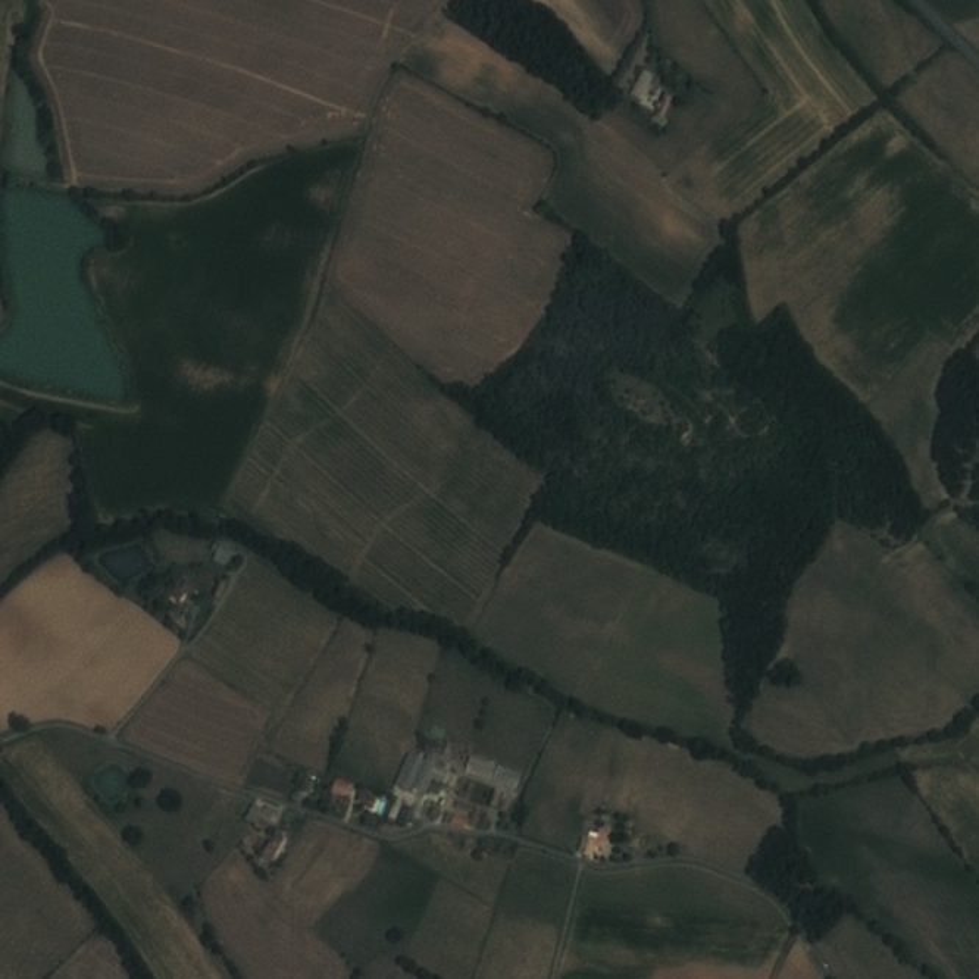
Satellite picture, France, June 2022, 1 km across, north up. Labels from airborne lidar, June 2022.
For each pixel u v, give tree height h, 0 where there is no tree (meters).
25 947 0
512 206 0
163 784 0
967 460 13
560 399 9
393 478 0
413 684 0
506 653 0
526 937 0
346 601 17
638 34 10
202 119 0
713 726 0
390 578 0
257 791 0
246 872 0
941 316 0
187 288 0
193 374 0
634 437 9
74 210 0
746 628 14
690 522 8
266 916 0
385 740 0
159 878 0
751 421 6
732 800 0
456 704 0
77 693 0
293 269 0
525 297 0
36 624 0
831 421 15
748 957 0
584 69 14
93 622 0
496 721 0
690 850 0
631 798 0
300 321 0
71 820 0
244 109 0
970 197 0
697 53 0
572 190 0
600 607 0
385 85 0
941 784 0
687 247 0
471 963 0
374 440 0
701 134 0
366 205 0
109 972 0
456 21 9
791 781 0
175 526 10
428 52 0
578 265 11
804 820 0
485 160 0
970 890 0
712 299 0
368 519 0
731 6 0
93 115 0
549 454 8
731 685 14
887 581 0
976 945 0
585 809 0
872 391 0
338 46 0
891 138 0
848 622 0
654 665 0
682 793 0
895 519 13
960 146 0
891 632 0
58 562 0
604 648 0
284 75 0
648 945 0
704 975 0
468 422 0
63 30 0
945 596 0
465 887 0
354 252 0
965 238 0
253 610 0
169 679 0
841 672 0
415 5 0
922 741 11
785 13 0
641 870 0
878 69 0
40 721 0
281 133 0
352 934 0
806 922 15
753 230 0
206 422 0
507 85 0
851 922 0
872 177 0
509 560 9
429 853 0
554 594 0
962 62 0
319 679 0
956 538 0
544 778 0
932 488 0
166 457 0
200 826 0
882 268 0
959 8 0
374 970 0
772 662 13
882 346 0
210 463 0
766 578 16
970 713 15
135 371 0
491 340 0
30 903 0
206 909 0
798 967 0
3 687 0
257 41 0
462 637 18
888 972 0
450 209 0
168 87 0
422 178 0
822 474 13
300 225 0
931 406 0
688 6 0
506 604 0
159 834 0
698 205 0
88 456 0
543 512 11
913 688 0
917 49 0
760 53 0
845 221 0
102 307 0
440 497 0
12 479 0
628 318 11
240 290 0
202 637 0
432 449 0
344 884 0
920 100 0
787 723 0
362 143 0
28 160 0
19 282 0
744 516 12
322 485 0
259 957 0
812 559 11
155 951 0
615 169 0
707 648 0
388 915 0
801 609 0
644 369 9
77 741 0
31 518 0
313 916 0
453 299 0
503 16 18
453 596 0
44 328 0
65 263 0
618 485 6
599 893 0
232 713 0
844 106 0
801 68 0
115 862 0
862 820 0
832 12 0
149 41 0
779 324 9
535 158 0
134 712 0
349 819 0
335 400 0
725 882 0
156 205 0
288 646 0
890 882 0
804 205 0
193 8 0
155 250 0
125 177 0
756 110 0
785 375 11
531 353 7
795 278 0
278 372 0
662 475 7
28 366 0
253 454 0
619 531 9
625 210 0
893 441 13
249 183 0
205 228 0
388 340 0
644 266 0
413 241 0
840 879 0
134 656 0
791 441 6
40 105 7
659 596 0
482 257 0
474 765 0
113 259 0
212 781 0
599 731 0
